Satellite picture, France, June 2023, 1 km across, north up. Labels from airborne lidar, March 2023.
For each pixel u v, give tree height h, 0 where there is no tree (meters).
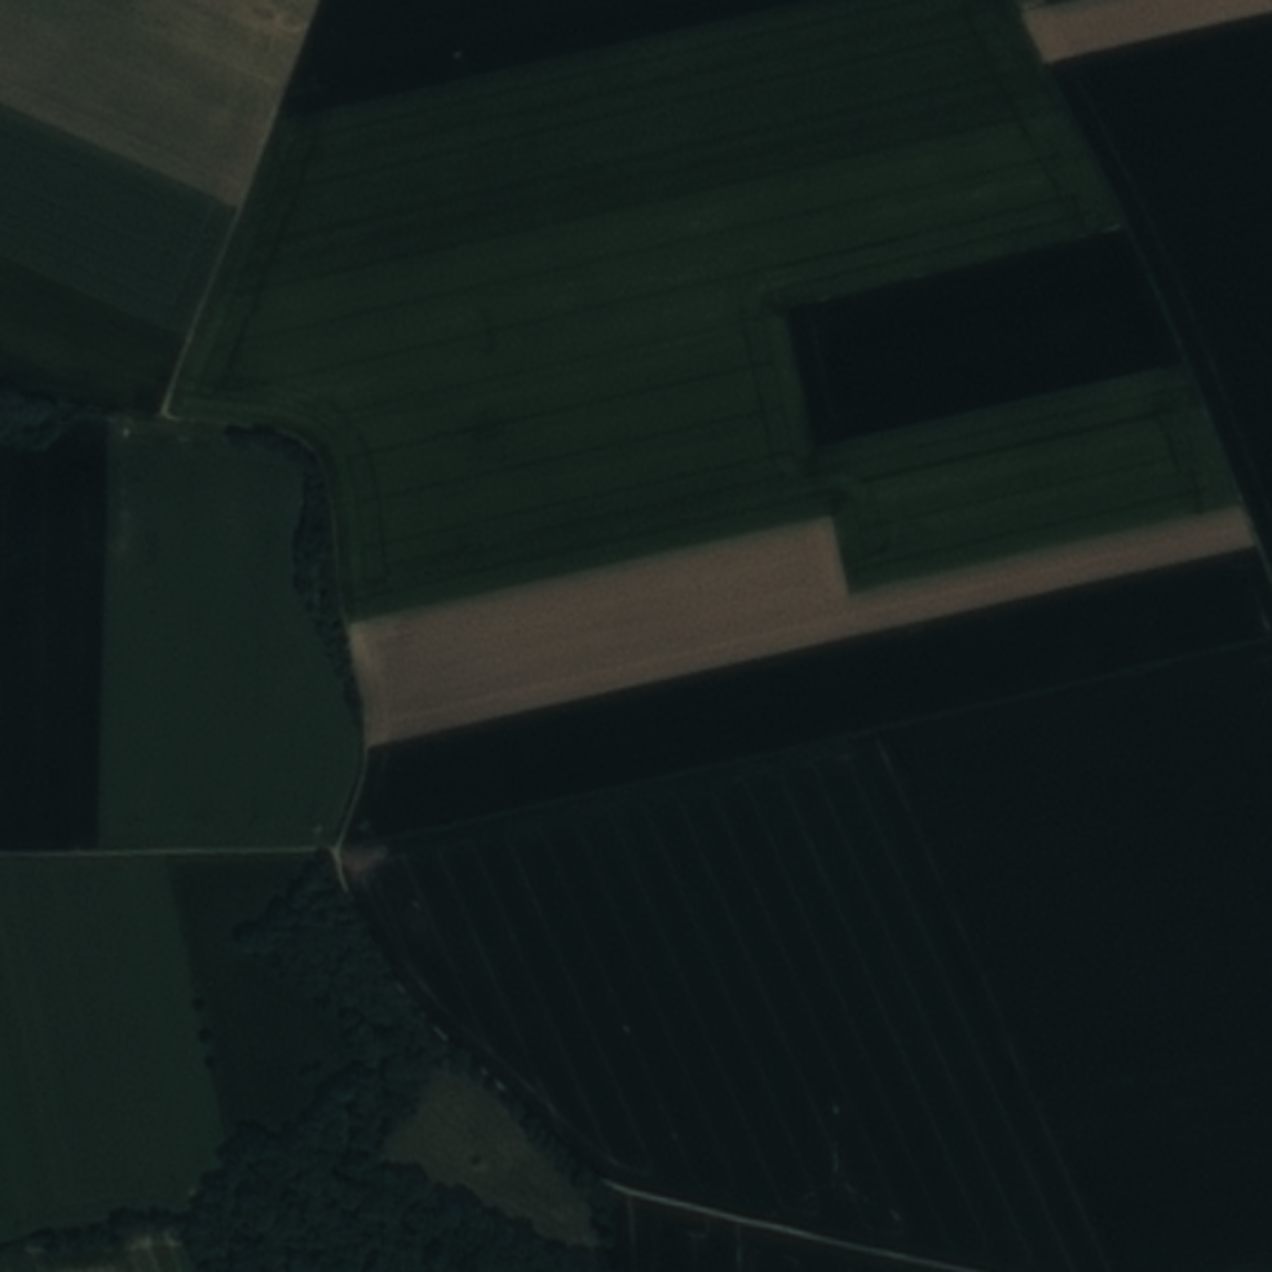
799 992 0
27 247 0
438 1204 25
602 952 0
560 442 0
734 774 0
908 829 0
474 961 0
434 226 0
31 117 0
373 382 0
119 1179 0
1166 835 0
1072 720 0
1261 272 0
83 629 0
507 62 0
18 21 0
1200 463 0
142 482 0
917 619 0
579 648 0
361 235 0
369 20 0
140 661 0
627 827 0
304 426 0
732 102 0
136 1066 0
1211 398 0
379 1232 21
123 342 0
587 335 0
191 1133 0
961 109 0
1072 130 0
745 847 0
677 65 0
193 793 0
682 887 0
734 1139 0
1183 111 0
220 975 0
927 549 0
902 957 0
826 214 0
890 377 0
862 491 0
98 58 0
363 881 0
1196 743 0
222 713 0
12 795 0
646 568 0
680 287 0
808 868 0
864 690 0
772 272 0
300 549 11
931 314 0
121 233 0
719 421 0
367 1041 19
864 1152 0
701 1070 0
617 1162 0
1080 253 0
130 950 0
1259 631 0
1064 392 0
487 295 0
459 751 0
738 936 0
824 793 0
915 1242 0
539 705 0
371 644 0
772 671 0
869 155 0
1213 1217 0
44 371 0
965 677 0
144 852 0
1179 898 0
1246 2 0
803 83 0
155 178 0
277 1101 0
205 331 0
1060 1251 0
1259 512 0
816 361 0
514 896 0
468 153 0
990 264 0
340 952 18
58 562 0
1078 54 0
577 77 0
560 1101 0
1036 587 0
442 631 0
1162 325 0
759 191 0
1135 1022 0
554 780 0
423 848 0
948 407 0
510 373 0
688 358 0
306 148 0
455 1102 0
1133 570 0
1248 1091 0
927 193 0
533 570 0
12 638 0
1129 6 0
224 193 0
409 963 0
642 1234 0
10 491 0
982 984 0
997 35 0
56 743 0
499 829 0
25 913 0
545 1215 0
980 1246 0
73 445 0
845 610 0
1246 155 0
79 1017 0
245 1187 26
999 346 0
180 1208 0
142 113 0
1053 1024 0
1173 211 0
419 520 0
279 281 0
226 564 0
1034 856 0
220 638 0
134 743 0
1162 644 0
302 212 0
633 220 0
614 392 0
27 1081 0
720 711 0
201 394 0
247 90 0
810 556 0
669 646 0
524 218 0
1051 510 0
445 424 0
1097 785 0
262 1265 23
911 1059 0
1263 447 0
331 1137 21
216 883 0
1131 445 0
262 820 0
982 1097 0
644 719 0
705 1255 0
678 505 0
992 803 0
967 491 0
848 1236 0
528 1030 0
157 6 0
